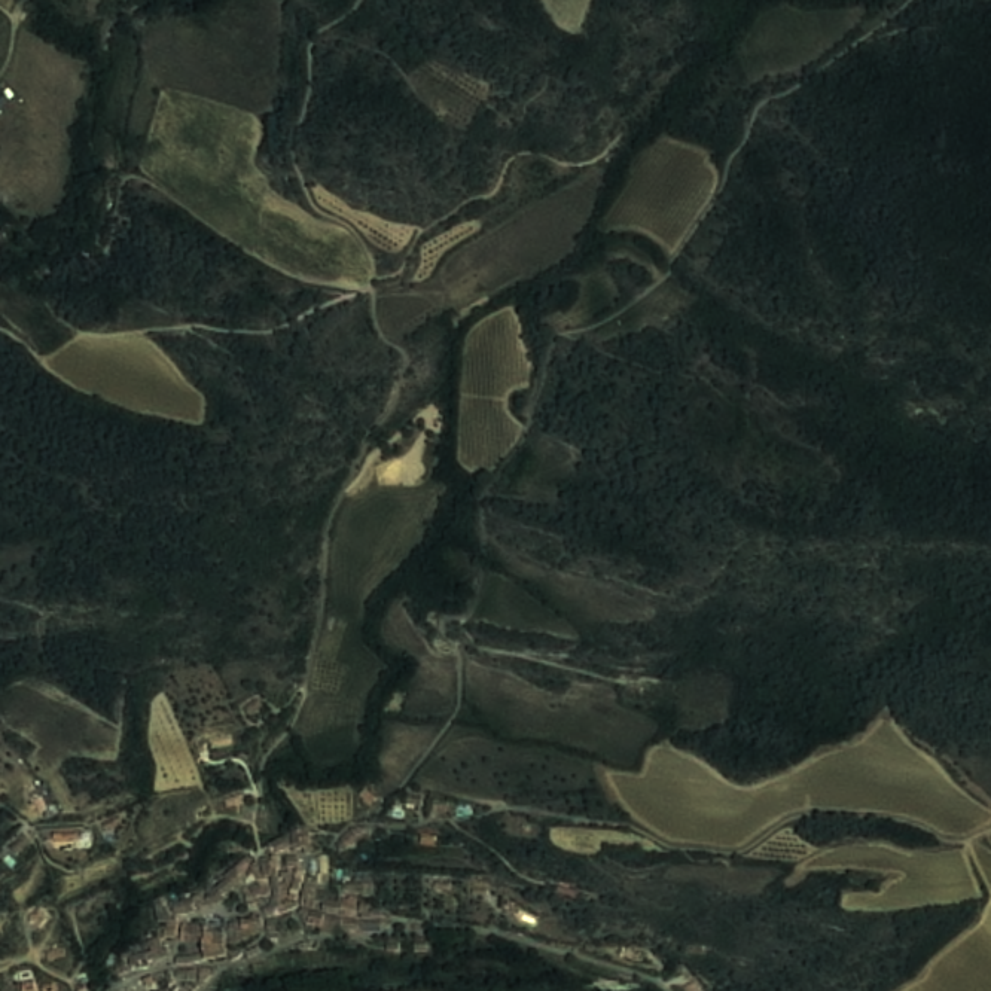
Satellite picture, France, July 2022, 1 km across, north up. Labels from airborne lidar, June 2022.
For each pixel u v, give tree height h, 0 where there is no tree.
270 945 12
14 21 0
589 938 7
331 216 0
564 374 10
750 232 7
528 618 0
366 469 0
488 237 0
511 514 7
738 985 8
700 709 0
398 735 0
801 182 8
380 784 0
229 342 7
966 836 0
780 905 8
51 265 11
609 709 0
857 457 6
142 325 0
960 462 6
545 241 0
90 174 23
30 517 11
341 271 0
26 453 10
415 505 0
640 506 9
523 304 11
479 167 7
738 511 9
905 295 8
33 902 10
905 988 0
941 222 9
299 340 12
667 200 0
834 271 6
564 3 0
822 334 6
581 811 8
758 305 7
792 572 13
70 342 0
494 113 12
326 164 6
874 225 12
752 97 7
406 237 0
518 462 7
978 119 5
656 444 6
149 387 0
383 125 9
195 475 10
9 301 0
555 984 22
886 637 6
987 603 15
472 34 8
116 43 14
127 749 5
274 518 6
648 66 8
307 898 0
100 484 12
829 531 7
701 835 0
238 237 0
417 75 0
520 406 12
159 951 0
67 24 7
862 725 10
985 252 7
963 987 0
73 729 0
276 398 6
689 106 6
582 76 12
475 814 7
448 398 16
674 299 0
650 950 7
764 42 0
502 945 11
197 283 7
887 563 10
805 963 9
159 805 0
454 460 12
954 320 7
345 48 8
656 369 10
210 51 0
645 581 9
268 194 0
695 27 10
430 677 0
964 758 10
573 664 7
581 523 13
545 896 17
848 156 7
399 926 15
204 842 16
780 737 15
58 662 11
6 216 13
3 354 10
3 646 7
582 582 0
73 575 8
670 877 0
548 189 7
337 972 23
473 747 0
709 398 0
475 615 0
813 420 7
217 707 6
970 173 9
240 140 0
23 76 0
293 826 10
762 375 8
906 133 12
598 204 12
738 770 9
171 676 7
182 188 0
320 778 6
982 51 6
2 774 0
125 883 10
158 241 10
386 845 9
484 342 0
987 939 0
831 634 12
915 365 7
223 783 9
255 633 9
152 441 11
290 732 9
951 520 11
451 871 10
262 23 0
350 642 0
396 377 6
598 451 11
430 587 8
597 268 0
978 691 11
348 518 0
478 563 11
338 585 0
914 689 11
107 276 9
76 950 10
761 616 6
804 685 9
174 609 6
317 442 6
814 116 9
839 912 6
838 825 15
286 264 0
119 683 6
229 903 8
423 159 7
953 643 11
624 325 0
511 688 0
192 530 11
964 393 8
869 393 6
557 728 0
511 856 10
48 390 10
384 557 0
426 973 15
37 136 0
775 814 0
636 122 9
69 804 0
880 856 0
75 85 0
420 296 0
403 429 11
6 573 11
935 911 11
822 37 0
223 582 7
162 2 14
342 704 0
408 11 10
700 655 6
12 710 0
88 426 10
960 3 11
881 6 8
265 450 9
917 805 0
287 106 7
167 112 0
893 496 7
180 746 0
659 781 0
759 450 7
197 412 0
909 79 7
